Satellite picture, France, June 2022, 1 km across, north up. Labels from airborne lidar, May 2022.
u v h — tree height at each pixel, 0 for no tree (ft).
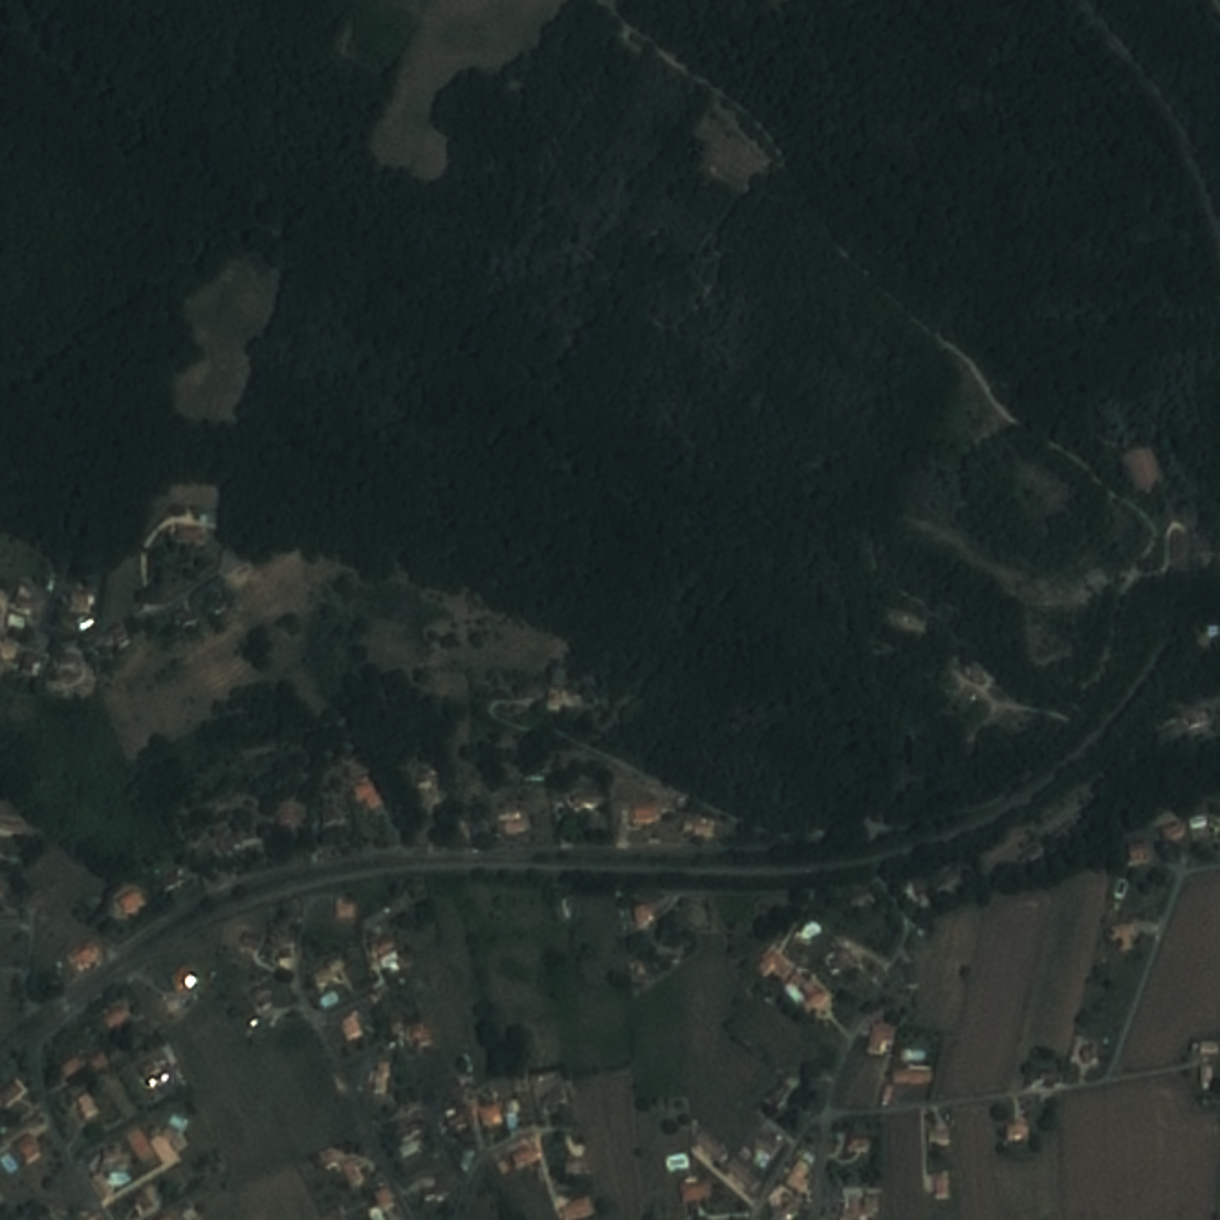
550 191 41
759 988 19
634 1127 0
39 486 88
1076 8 76
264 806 37
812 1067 36
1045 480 0
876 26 49
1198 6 54
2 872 29
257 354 48
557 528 87
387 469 64
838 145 63
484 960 0
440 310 83
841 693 70
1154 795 87
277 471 75
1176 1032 0
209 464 66
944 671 37
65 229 60
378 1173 22
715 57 54
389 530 57
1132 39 79
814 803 53
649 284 70
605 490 90
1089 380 82
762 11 46
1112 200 53
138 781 41
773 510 53
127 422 96
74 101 89
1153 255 60
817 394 30
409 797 60
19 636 37
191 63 34
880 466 56
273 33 72
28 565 0
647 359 39
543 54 46
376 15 0
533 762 38
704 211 23
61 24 89
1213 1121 0
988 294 64
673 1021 0
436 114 45
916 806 49
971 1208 0
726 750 31
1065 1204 0
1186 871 0
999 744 41
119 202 62
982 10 64
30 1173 0
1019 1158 0
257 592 0
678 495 75
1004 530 37
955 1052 0
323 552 31
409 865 0
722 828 0
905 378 41
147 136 60
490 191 55
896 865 52
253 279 0
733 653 83
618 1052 0
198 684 0
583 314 46
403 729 44
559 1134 36
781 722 58
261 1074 0
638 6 70
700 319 48
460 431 72
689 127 32
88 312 89
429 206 42
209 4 58
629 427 63
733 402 51
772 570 64
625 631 52
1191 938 0
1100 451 43
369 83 61
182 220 61
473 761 50
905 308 30
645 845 0
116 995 26
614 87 39
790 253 41
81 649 27
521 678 24
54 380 108
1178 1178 0
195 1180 18
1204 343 59
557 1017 0
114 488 63
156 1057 0
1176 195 42
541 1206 0
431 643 19
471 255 49
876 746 65
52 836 39
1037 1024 0
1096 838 83
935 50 55
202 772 43
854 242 21
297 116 65
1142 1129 0
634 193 43
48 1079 31
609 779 45
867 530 37
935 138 68
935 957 0
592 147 38
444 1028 0
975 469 38
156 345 86
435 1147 23
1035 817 22
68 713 23
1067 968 0
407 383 38
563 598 62
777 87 53
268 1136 0
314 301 73
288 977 49
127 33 56
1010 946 0
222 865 21
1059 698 43
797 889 30
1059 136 62
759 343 31
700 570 90
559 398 61
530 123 47
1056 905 0
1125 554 36
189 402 0
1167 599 22
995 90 71
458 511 70
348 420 66
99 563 58
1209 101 67
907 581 22
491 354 93
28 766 42
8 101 73
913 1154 0
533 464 86
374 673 52
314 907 0
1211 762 82
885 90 62
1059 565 31
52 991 38
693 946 19
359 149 52
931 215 69
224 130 53
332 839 42
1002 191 62
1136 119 87
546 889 21
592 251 26
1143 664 44
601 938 0
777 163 34
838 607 46
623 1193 0
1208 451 48
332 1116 0
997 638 46
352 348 29
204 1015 0
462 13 0
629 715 39
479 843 50
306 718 47
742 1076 0
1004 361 61
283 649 0
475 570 51
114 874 48
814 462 47
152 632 19
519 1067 40
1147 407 53
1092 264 34
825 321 35
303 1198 0
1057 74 59
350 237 80
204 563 34
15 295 56
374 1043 19
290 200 62
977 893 55
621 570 82
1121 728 39
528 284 39
